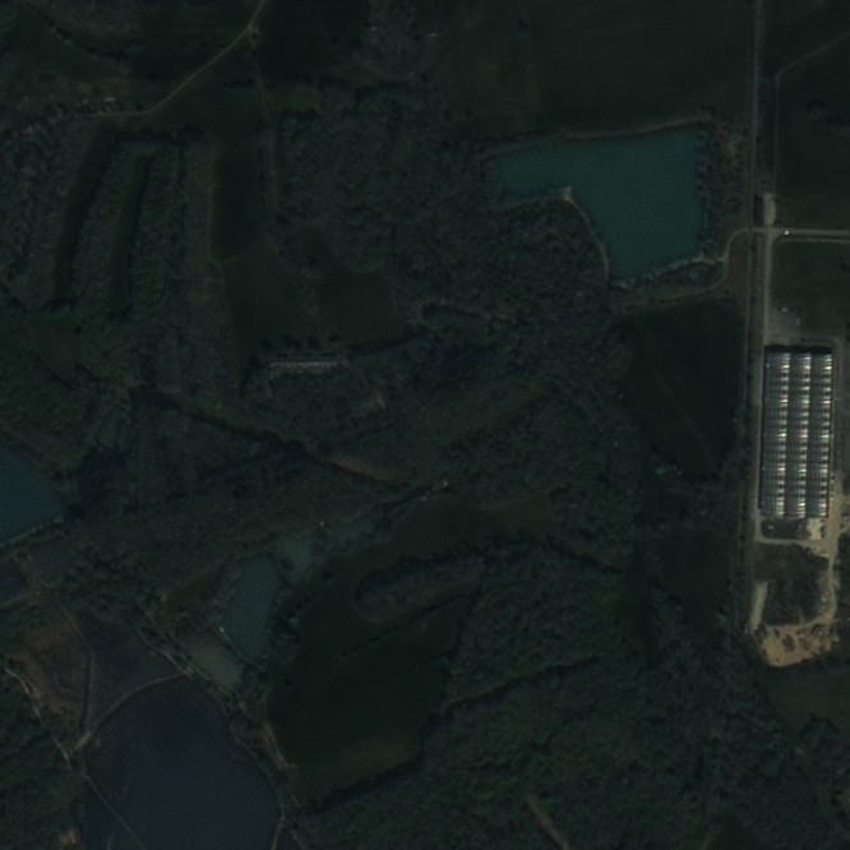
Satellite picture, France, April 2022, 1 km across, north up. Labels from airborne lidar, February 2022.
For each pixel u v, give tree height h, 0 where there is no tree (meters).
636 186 0
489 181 15
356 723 0
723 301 0
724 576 0
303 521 24
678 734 24
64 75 0
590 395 23
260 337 0
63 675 0
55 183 18
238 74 0
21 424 22
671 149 0
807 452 0
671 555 0
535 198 13
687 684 20
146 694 0
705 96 0
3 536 0
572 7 0
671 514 0
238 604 0
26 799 26
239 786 0
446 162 19
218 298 18
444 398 20
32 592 0
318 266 13
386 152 20
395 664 0
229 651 10
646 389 0
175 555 23
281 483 25
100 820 0
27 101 0
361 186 8
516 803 23
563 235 11
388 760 0
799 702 0
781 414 0
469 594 0
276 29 0
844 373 0
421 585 23
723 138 7
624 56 0
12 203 20
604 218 0
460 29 0
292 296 0
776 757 19
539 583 21
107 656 0
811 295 0
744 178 0
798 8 0
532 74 0
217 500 24
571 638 23
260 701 18
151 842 0
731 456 18
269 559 0
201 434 25
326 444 28
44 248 21
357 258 23
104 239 18
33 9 7
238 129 0
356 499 19
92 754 0
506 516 0
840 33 0
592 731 26
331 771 0
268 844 0
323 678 0
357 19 0
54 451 20
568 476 20
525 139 8
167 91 0
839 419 0
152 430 27
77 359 0
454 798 25
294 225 16
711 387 0
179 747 0
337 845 21
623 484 20
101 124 0
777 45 0
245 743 10
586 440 24
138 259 19
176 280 6
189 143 21
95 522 24
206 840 0
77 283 17
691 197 0
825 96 0
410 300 18
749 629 0
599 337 19
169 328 22
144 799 0
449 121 17
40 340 0
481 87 0
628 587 0
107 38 0
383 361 18
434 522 0
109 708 0
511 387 20
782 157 0
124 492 28
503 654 21
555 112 0
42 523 0
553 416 23
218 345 22
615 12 0
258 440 24
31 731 19
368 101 20
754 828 16
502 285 8
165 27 0
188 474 27
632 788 24
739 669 16
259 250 0
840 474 0
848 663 9
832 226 0
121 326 18
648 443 0
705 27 0
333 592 0
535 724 26
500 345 23
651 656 0
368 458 21
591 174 0
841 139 0
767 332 0
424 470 22
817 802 17
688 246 0
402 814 25
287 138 18
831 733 15
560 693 24
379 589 25
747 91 0
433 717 0
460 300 11
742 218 0
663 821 20
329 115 20
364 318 0
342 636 0
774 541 0
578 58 0
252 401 17
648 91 0
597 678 21
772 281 0
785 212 0
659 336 0
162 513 26
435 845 25
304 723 0
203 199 25
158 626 0
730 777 22
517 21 0
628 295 7
